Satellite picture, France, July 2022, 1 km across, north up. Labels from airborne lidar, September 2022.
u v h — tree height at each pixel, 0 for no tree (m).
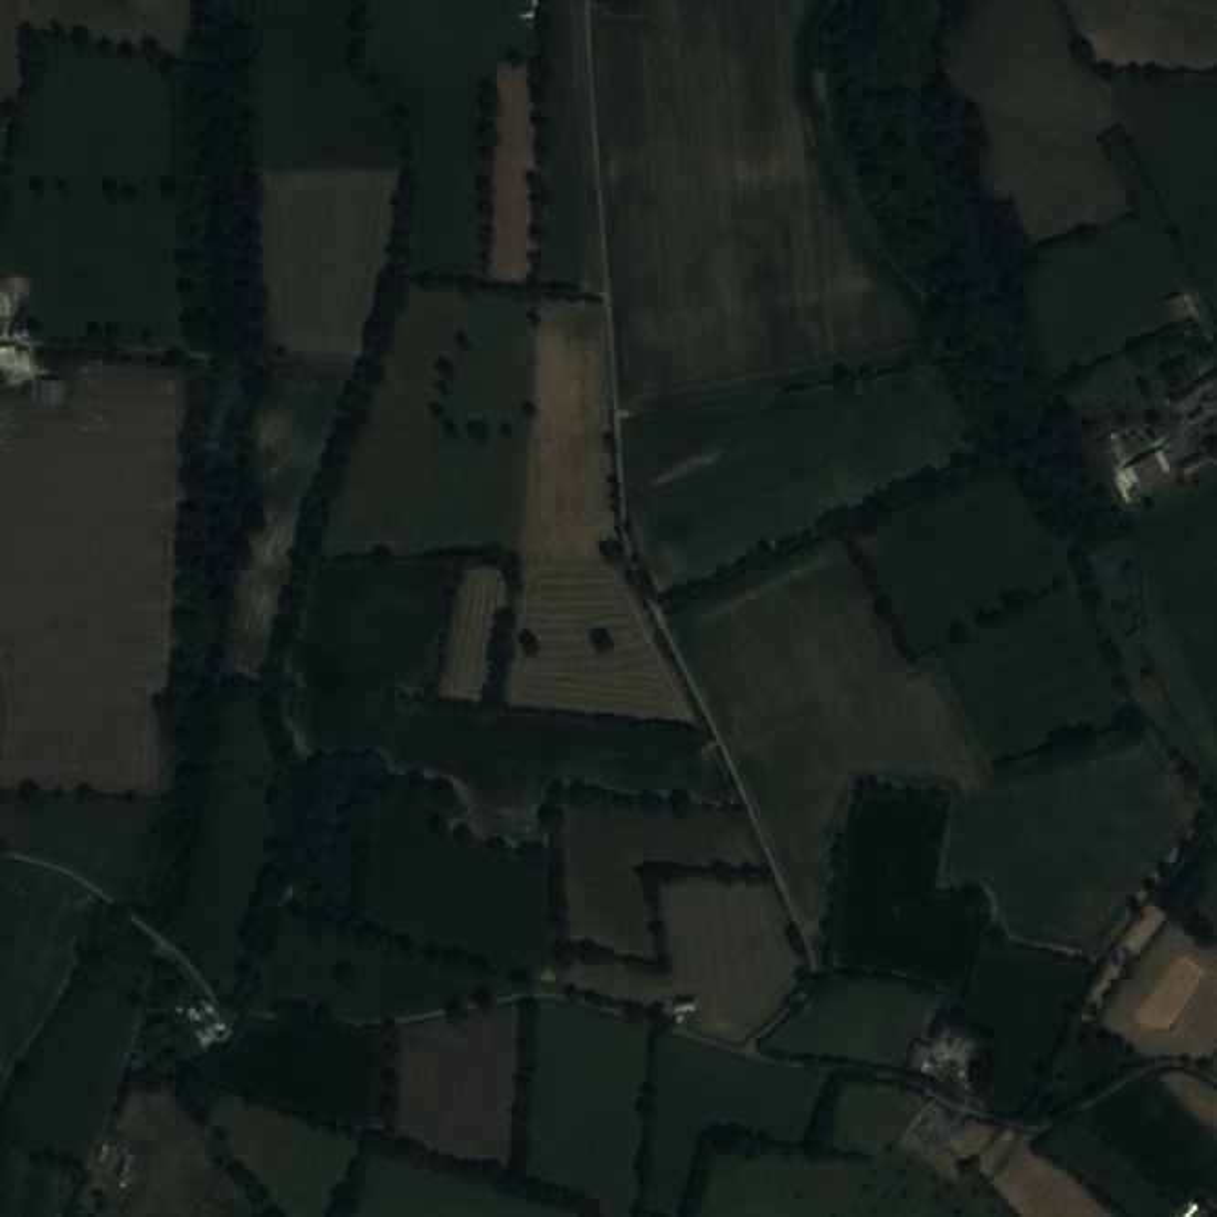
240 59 11
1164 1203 11
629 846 0
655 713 0
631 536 12
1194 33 0
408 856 0
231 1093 7
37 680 0
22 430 0
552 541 0
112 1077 0
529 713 6
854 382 15
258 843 0
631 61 0
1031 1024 0
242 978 17
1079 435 9
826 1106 15
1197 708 0
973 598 0
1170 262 0
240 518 13
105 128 0
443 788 18
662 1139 0
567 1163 0
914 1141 0
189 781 15
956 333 19
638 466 0
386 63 0
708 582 8
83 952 16
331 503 8
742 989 0
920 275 6
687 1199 14
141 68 0
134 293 0
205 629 0
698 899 0
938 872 7
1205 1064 11
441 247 0
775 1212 0
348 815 11
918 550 0
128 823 0
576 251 0
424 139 0
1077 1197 0
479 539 0
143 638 0
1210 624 0
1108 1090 10
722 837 0
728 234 0
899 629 11
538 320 13
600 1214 13
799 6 0
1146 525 0
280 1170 0
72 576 0
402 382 0
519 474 0
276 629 14
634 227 0
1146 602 0
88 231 0
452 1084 0
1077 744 23
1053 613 0
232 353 16
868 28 22
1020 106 0
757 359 0
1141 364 6
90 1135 0
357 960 0
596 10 0
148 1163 0
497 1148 0
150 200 0
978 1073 15
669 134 0
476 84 0
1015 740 0
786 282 0
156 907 7
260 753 0
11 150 8
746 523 0
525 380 0
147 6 0
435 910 0
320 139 0
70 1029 0
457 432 16
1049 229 0
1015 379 14
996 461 16
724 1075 0
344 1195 13
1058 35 0
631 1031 0
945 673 0
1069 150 0
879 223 6
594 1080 0
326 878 11
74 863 0
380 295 15
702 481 0
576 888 0
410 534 0
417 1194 0
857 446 0
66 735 0
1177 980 0
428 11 0
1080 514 23
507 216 0
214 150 22
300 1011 15
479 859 0
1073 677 0
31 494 0
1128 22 0
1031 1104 7
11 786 0
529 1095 13
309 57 0
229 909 0
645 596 8
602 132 0
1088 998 7
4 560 0
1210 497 0
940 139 11
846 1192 0
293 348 0
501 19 0
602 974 0
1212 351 6
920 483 13
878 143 9
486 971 18
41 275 0
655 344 0
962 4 17
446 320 0
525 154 0
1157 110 0
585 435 0
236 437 13
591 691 0
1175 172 0
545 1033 0
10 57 0
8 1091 6
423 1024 0
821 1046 0
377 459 0
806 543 12
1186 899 32
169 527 0
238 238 10
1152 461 0
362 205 0
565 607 0
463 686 0
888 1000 0
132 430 0
